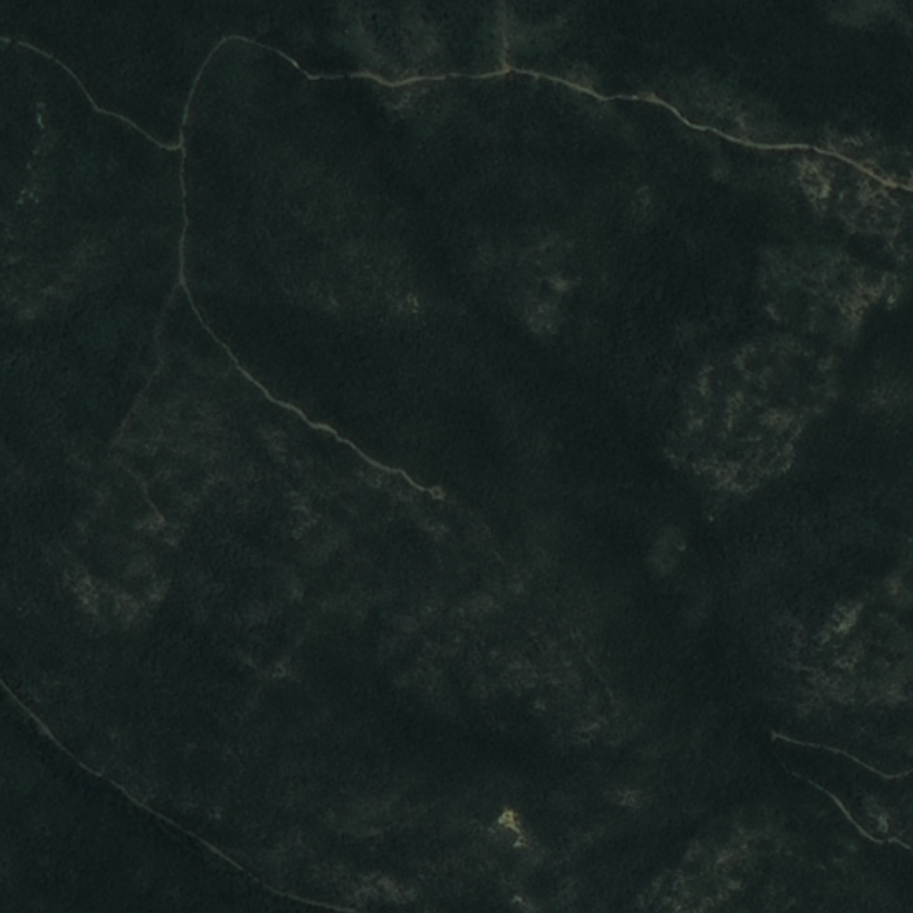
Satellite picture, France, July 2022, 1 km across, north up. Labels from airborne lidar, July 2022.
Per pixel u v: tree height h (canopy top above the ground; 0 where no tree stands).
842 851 11
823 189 0
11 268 6
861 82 6
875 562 5
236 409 5
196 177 6
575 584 6
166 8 11
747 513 8
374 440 7
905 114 6
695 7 7
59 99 7
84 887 10
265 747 5
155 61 10
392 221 7
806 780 7
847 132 7
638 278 5
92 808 9
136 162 6
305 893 7
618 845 7
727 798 7
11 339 9
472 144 6
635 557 9
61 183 8
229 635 6
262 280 9
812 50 7
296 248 6
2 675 7
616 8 8
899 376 7
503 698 6
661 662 7
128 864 7
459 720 8
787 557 7
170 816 8
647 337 6
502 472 6
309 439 6
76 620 5
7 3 6
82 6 6
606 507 8
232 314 9
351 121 6
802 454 5
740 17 6
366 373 7
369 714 9
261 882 7
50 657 8
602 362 6
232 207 6
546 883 6
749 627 6
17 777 6
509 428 6
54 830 8
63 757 10
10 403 6
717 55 7
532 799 6
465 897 8
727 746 7
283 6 7
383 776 6
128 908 11
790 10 8
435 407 6
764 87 6
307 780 6
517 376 7
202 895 11
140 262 6
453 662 5
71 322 6
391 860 7
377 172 10
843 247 5
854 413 6
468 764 7
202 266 6
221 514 5
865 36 7
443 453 7
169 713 6
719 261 6
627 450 9
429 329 8
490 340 8
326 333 9
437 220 7
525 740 6
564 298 6
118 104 6
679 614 6
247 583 6
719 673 9
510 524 6
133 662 6
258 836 6
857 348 9
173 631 8
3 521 7
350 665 7
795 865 6
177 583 6
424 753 8
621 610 7
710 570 6
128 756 7
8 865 6
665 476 12
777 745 8
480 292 6
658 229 9
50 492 5
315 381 7
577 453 6
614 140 6
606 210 9
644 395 6
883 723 6
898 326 8
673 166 6
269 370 7
